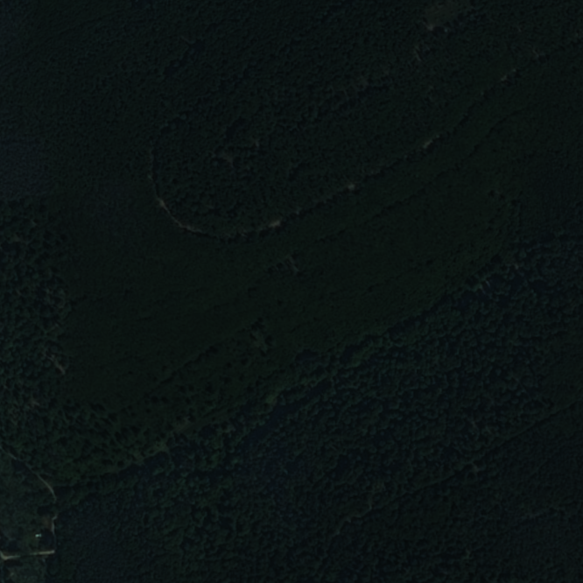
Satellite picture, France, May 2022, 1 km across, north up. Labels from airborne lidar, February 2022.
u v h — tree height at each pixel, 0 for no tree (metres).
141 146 20
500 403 34
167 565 29
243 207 21
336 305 18
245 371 11
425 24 18
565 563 8
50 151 18
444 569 28
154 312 13
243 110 24
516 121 21
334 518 10
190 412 14
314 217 20
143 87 19
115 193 17
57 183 17
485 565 9
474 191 19
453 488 19
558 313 35
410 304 16
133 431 35
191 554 34
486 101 21
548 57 20
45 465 27
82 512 18
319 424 38
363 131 19
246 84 25
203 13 25
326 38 23
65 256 13
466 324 33
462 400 36
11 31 21
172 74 22
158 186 19
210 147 23
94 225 15
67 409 32
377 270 18
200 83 25
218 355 15
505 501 8
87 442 29
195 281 18
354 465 29
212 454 35
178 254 14
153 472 34
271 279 22
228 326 14
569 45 20
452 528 16
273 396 19
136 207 15
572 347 18
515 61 18
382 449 30
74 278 12
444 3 19
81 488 16
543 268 35
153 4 22
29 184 24
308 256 20
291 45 25
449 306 29
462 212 19
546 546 12
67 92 19
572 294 33
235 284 19
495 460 14
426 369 39
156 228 17
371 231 19
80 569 22
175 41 25
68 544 18
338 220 19
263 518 32
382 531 12
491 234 24
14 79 17
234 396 10
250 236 20
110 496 21
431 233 17
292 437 34
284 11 23
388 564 26
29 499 17
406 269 20
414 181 17
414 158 18
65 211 14
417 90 18
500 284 35
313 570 31
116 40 22
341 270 18
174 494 33
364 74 17
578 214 19
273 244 22
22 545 24
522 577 17
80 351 15
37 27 17
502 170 21
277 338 19
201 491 29
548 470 17
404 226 20
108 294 14
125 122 20
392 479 32
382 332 17
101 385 15
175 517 36
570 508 10
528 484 13
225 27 25
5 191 29
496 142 21
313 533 14
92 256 14
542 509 9
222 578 12
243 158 17
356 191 19
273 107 13
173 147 23
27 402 20
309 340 16
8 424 23
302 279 20
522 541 17
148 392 13
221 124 21
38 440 22
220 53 26
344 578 34
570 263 30
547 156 19
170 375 12
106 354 14
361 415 34
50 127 17
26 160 24
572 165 18
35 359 20
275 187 19
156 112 21
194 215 22
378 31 21
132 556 26
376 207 19
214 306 24
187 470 37
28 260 27
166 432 9
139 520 30
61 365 26
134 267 14
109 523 22
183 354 15
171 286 12
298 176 17
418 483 17
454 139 20
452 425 35
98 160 17
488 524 13
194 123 24
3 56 22
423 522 12
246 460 33
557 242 35
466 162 21
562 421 13
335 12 24
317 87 19
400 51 17
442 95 18
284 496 33
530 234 15
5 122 18
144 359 14
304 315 20
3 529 21
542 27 20
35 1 20
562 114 19
